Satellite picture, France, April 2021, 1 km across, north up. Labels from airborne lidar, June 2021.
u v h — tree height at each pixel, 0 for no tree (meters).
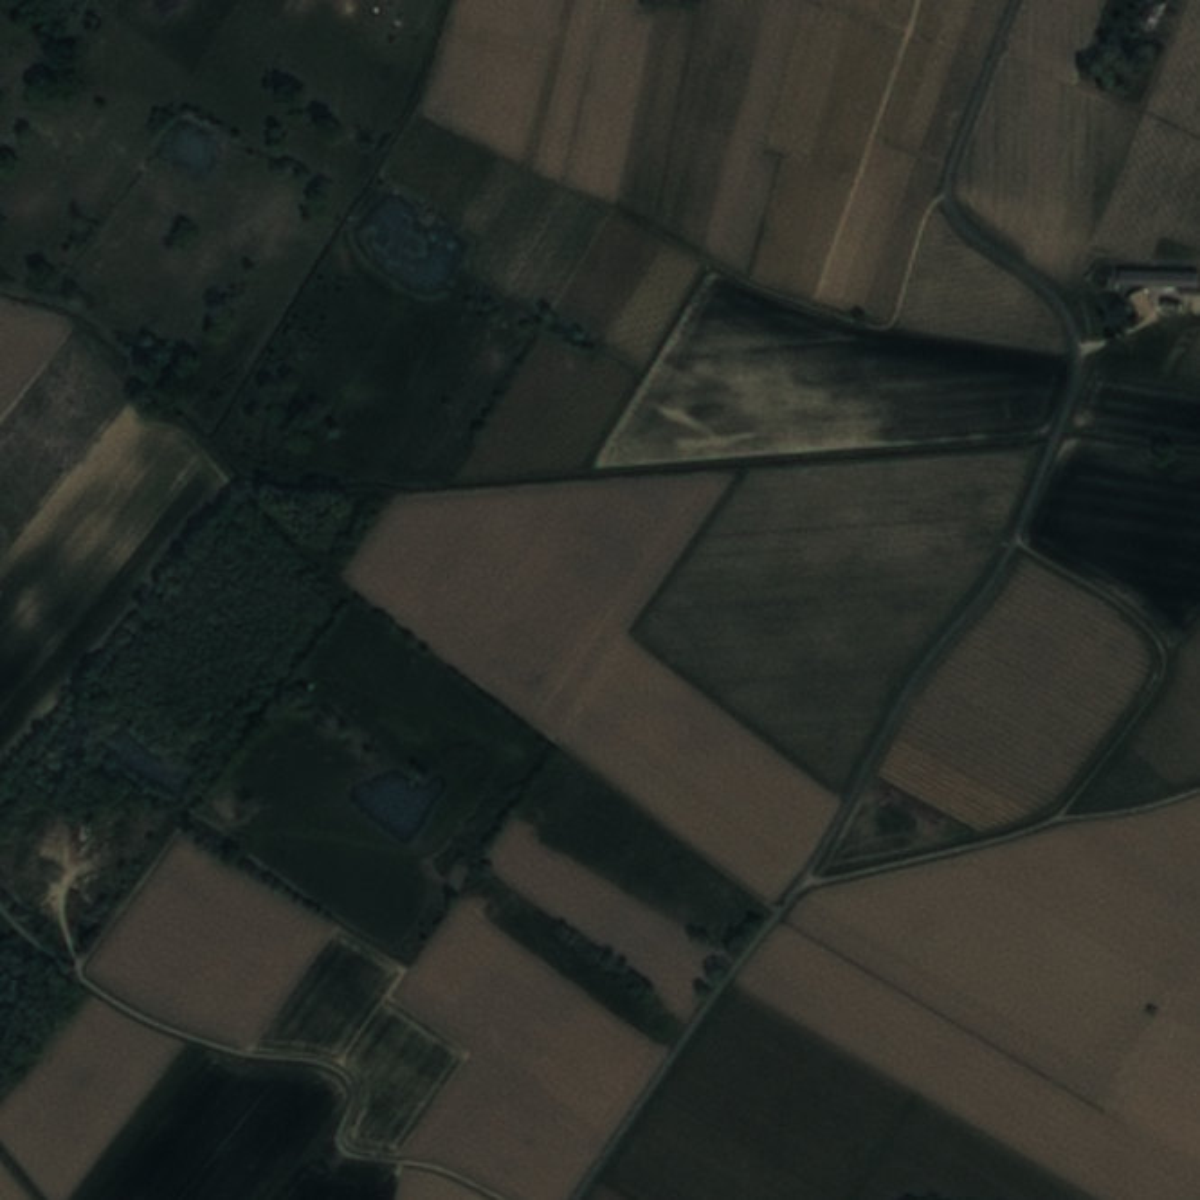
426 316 0
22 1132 0
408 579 0
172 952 0
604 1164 0
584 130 0
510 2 0
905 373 0
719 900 0
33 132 12
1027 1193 0
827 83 0
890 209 0
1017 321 0
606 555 0
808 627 0
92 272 0
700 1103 0
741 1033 0
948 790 0
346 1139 0
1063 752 0
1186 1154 0
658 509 0
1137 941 0
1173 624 0
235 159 0
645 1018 0
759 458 0
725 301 0
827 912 0
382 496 6
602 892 0
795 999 0
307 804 0
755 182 0
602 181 0
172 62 0
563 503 0
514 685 0
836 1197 0
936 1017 0
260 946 0
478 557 0
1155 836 0
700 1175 0
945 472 0
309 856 0
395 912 0
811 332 0
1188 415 0
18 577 0
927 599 0
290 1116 0
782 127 0
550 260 0
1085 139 0
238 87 0
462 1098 0
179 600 18
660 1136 0
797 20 0
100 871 0
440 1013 0
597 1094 0
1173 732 0
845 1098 0
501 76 0
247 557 16
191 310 0
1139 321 10
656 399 0
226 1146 0
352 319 0
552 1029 0
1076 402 0
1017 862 0
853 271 0
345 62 0
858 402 0
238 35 0
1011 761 0
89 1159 0
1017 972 0
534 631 0
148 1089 0
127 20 0
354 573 0
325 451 0
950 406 0
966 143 0
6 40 0
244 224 0
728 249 0
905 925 0
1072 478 0
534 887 0
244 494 15
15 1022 20
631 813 0
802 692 0
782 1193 0
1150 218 0
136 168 0
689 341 0
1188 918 0
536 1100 0
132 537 0
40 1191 0
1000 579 0
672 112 0
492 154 0
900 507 0
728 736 0
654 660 0
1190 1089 0
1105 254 0
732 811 0
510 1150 0
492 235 0
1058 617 0
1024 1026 0
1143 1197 0
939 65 0
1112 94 0
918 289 0
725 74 0
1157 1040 0
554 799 0
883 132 0
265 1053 0
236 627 14
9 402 0
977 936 0
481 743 0
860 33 0
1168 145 0
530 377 0
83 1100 0
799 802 0
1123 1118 0
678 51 0
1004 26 0
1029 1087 0
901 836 0
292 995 0
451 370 0
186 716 14
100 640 0
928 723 0
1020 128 0
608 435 0
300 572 12
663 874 0
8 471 0
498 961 0
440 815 0
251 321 0
